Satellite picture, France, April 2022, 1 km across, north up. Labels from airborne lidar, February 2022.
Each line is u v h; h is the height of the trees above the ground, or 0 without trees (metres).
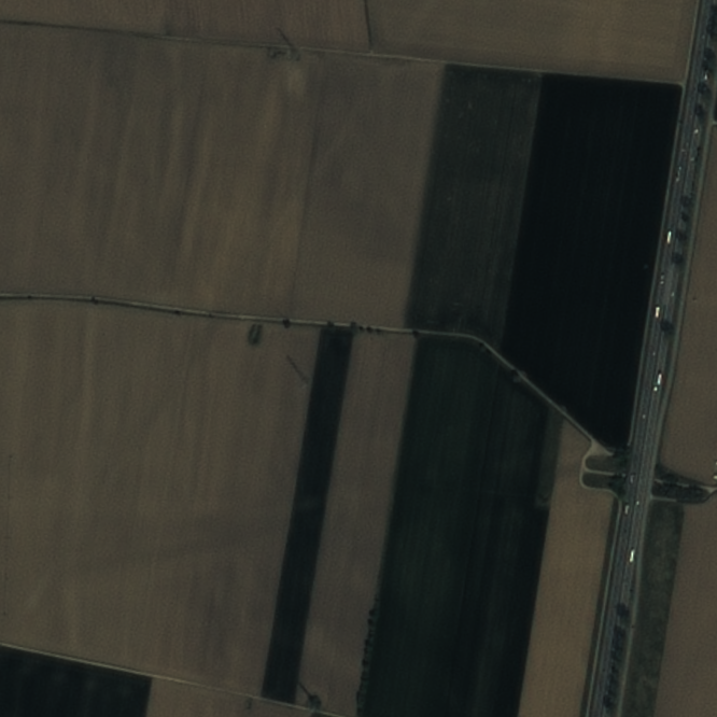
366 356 0
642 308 0
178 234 0
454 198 0
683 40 0
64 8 0
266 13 0
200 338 0
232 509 0
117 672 0
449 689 0
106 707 0
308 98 0
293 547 0
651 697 0
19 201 0
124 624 0
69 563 0
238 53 0
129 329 0
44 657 0
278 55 0
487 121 0
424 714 0
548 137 0
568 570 0
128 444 0
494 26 0
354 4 0
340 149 0
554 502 0
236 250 0
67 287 0
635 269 0
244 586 0
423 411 0
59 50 0
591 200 0
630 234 0
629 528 0
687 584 0
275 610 0
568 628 0
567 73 0
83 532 0
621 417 0
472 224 0
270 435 0
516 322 0
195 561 0
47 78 0
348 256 0
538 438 0
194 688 0
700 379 0
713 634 0
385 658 0
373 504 0
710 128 0
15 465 0
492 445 0
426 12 0
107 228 0
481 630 0
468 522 0
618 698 20
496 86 0
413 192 0
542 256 0
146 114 0
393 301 0
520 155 0
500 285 0
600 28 0
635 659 0
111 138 0
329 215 0
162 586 0
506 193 0
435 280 0
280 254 0
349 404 0
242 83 0
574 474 0
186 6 0
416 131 0
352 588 0
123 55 0
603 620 0
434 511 0
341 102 0
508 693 0
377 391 0
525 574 0
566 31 0
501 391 0
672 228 0
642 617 0
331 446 0
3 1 0
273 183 0
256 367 0
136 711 0
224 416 0
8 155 0
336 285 0
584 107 0
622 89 0
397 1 0
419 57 0
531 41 0
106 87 0
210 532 0
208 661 0
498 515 0
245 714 0
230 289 0
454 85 0
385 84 0
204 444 0
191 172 0
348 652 0
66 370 0
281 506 0
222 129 0
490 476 0
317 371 0
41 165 0
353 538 0
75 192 0
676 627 0
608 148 0
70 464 0
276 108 0
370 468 0
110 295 0
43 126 0
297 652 0
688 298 0
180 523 0
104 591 0
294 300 0
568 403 0
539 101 0
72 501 0
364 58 0
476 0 0
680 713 0
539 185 0
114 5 0
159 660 0
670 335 21
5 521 0
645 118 0
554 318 0
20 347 0
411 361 0
